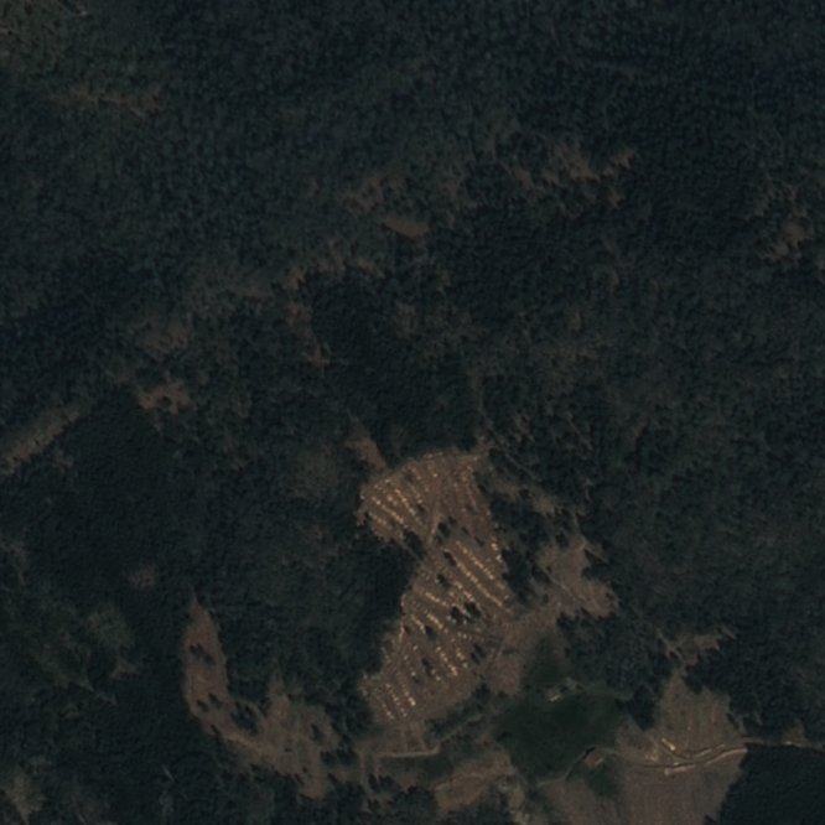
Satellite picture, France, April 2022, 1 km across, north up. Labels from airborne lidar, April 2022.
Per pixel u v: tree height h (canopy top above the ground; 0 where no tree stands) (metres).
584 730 0
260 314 23
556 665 0
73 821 25
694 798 0
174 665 25
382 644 25
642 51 26
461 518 0
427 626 0
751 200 12
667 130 14
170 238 7
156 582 17
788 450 19
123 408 17
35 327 17
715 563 19
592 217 15
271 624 27
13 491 13
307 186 7
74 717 7
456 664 0
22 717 25
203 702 0
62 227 20
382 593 20
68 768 20
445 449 19
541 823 0
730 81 19
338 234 12
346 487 15
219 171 11
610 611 0
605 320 26
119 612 11
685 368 23
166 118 7
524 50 22
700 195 12
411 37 11
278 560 16
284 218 7
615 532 32
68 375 15
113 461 23
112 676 13
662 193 13
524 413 13
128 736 14
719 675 29
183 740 19
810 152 10
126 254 6
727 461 27
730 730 0
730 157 13
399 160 6
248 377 15
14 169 18
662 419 20
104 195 15
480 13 15
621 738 0
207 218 16
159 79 8
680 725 0
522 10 17
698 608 23
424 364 21
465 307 22
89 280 21
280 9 7
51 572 19
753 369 23
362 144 8
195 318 10
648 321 20
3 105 17
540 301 14
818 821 19
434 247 9
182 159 16
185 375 7
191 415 20
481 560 0
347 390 23
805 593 22
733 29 22
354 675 20
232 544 25
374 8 17
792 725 29
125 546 23
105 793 7
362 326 18
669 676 28
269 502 16
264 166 19
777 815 19
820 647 19
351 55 15
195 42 22
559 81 7
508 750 21
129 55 11
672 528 22
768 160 13
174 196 13
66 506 23
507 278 22
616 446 28
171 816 28
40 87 16
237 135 6
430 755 0
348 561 18
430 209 9
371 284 14
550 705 11
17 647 8
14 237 21
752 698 30
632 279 19
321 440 14
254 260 8
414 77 10
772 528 18
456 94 11
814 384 23
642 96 13
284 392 10
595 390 16
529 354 21
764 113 21
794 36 24
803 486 21
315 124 16
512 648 0
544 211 9
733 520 21
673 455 29
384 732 0
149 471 13
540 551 26
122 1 18
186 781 27
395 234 12
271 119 21
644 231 20
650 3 16
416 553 26
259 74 18
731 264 27
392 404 17
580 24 18
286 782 14
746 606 27
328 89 7
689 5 16
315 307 11
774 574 25
